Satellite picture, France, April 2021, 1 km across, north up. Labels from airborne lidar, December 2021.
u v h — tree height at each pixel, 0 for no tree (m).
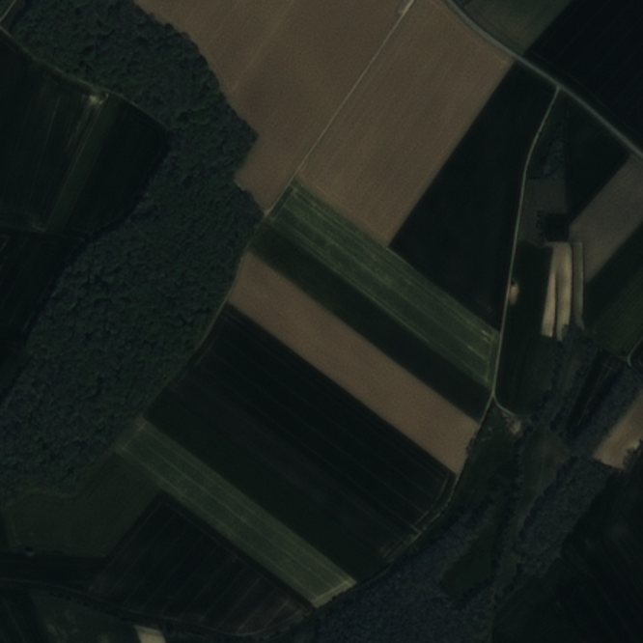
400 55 0
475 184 0
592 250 0
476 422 0
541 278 0
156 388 16
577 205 0
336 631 11
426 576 18
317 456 0
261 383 0
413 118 0
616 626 0
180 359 20
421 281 0
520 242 0
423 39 0
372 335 0
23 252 0
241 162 21
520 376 0
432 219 0
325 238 0
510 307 0
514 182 0
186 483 0
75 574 0
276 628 0
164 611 0
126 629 0
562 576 0
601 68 0
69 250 0
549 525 20
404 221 0
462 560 0
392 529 0
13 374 0
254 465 0
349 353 0
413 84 0
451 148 0
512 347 0
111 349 17
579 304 0
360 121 0
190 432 0
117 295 20
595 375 0
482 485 0
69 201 0
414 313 0
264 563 0
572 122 0
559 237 0
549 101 0
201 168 21
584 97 0
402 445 0
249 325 0
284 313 0
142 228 19
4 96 0
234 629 0
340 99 0
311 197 0
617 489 0
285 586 0
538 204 0
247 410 0
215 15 0
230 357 0
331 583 0
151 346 19
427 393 0
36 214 0
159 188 17
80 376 20
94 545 0
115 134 0
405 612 17
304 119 0
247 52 0
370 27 0
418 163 0
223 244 26
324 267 0
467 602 15
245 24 0
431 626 18
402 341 0
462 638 21
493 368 0
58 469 21
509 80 0
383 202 0
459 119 0
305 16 0
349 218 0
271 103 0
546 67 0
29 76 0
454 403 0
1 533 0
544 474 0
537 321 0
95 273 19
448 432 0
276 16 0
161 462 0
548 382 0
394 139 0
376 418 0
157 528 0
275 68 0
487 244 0
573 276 0
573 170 0
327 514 0
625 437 0
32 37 16
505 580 0
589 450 17
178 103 19
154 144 0
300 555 0
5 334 0
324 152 0
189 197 22
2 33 0
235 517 0
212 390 0
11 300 0
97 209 0
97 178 0
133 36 21
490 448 0
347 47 0
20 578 0
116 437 21
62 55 16
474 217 0
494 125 0
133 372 17
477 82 0
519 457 11
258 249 0
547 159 10
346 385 0
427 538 0
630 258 0
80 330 15
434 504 0
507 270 0
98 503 0
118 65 18
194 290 22
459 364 0
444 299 0
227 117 24
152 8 0
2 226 0
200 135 20
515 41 0
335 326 0
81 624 0
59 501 0
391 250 0
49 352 15
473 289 0
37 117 0
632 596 0
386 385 0
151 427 0
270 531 0
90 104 0
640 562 0
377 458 0
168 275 17
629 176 0
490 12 0
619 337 0
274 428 0
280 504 0
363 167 0
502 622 0
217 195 17
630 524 0
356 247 0
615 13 0
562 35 0
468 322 0
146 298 17
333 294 0
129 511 0
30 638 0
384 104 0
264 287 0
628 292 0
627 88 0
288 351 0
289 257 0
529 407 0
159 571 0
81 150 0
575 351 0
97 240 15
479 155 0
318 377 0
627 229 0
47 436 22
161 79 18
